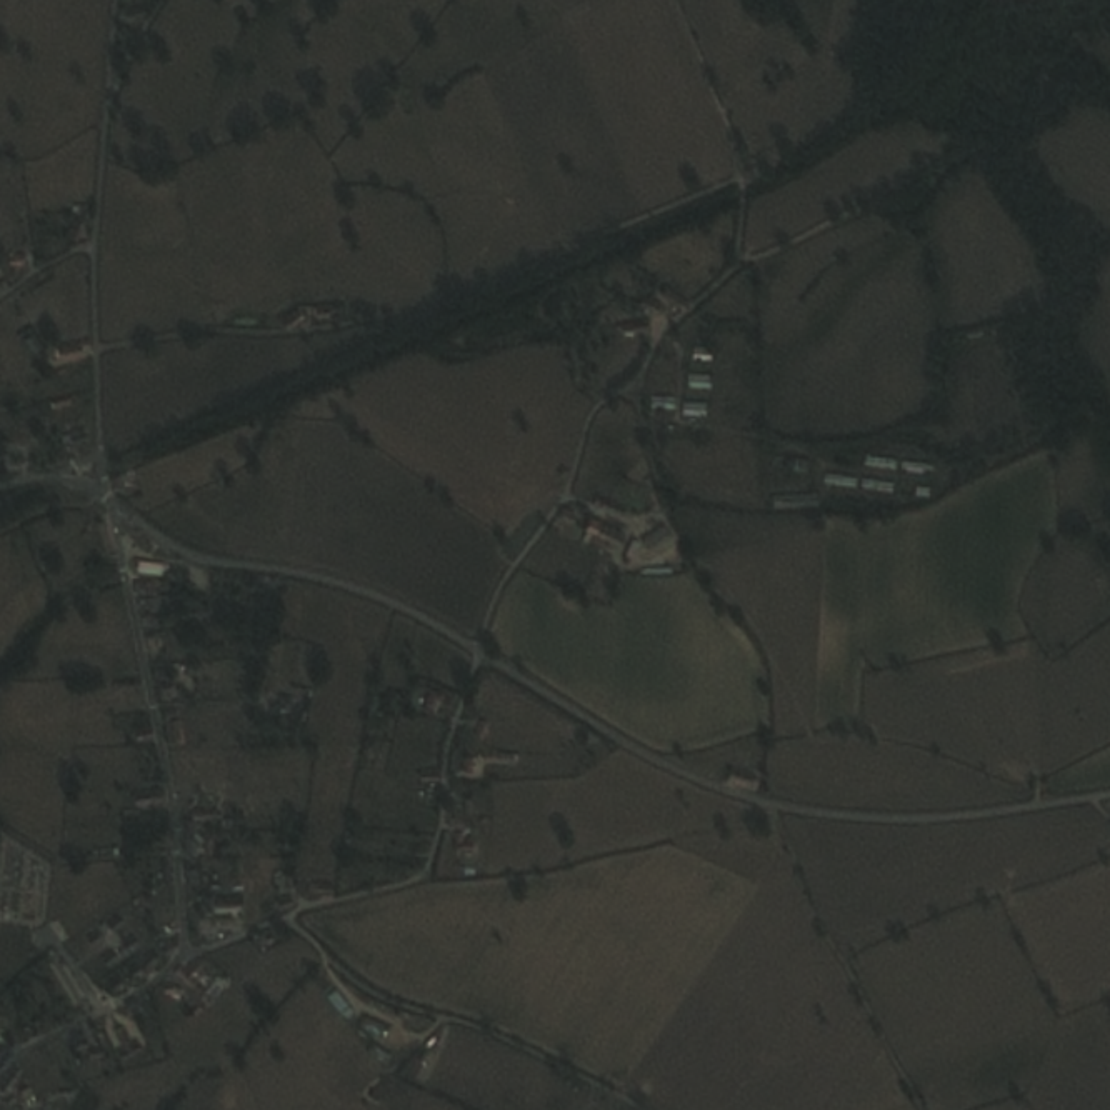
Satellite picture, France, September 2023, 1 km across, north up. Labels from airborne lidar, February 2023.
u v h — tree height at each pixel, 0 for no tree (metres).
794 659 0
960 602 0
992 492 0
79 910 0
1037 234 23
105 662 0
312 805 0
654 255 0
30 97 0
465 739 0
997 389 0
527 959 0
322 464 0
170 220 0
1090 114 0
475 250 0
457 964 0
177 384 0
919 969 0
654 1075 0
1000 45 12
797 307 0
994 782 0
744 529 0
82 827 0
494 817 0
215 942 0
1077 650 0
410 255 0
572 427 0
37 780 0
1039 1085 0
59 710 0
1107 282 0
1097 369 19
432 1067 0
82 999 0
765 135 0
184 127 0
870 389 0
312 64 0
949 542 0
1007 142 14
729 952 0
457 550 0
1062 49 14
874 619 0
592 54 0
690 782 0
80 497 0
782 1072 0
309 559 0
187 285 0
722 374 0
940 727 0
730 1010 0
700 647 0
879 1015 0
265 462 0
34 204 0
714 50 0
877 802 0
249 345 0
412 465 0
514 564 0
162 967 0
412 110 0
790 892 0
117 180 0
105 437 0
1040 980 0
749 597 0
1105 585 0
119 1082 0
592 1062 0
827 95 0
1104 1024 0
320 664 16
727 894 0
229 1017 0
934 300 0
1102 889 0
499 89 0
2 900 0
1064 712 0
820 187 0
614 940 0
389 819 0
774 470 0
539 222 0
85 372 0
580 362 9
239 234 0
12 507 16
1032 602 0
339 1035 0
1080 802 0
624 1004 0
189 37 0
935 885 0
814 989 0
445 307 18
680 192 0
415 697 0
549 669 0
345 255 0
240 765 0
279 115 19
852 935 0
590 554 0
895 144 0
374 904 0
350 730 0
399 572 0
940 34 13
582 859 0
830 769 0
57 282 0
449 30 0
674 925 0
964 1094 0
